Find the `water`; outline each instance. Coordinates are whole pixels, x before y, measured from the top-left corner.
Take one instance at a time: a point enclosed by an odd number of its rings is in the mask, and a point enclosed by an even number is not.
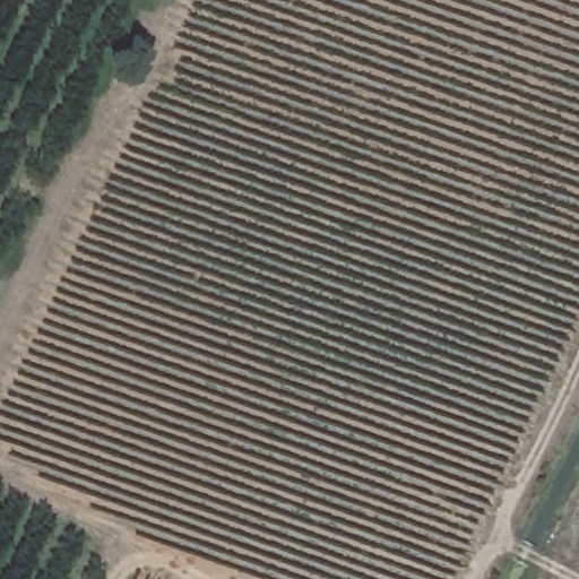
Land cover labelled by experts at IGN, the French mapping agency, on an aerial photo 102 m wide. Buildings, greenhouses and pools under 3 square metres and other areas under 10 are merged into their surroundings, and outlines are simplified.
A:
[[[579,477],[579,432],[550,489],[547,500],[543,502],[536,516],[536,522],[527,534],[527,543],[534,547],[543,538],[543,534],[547,534],[554,527],[552,520],[559,504],[565,502]]]

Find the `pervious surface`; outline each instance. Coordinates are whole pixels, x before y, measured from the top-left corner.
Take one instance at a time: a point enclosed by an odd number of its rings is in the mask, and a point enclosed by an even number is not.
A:
[[[466,579],[484,579],[502,554],[509,554],[513,563],[522,568],[527,568],[527,563],[534,563],[559,579],[579,579],[579,572],[561,565],[559,561],[541,554],[534,547],[527,543],[513,536],[513,511],[522,493],[527,491],[529,482],[536,477],[538,466],[559,430],[559,423],[568,412],[572,398],[577,396],[579,387],[579,348],[529,455],[520,461],[516,486],[504,489],[502,493],[502,507],[495,511],[491,538],[484,547],[479,547],[473,554]]]

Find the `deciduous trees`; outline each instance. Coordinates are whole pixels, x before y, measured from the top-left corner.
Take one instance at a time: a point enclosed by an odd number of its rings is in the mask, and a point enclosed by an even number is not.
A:
[[[59,174],[63,156],[70,154],[72,147],[88,133],[95,100],[100,100],[109,90],[113,79],[136,86],[142,84],[149,75],[156,54],[154,34],[149,34],[140,25],[138,16],[140,11],[156,11],[152,0],[0,0],[0,283],[18,271],[25,258],[25,233],[34,228],[36,217],[43,213],[47,185]]]
[[[11,484],[5,484],[0,475],[0,579],[106,579],[106,565],[100,554],[102,547],[93,536],[88,536],[77,522],[70,522],[68,518],[54,513],[54,509],[45,500],[29,500],[27,493],[14,489]]]

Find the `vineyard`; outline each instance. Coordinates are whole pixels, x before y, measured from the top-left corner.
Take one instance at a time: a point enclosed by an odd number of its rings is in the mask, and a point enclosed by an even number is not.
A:
[[[0,441],[5,441],[2,450],[9,452],[14,459],[34,464],[38,477],[93,495],[93,511],[129,522],[136,536],[244,572],[253,579],[466,579],[473,554],[479,547],[484,547],[491,538],[495,511],[502,507],[502,493],[504,489],[516,486],[520,461],[529,455],[579,348],[579,0],[195,0],[192,11],[183,23],[183,32],[179,32],[174,41],[176,50],[185,50],[188,57],[179,59],[176,79],[172,84],[158,84],[156,90],[152,90],[147,100],[140,104],[136,129],[129,142],[124,145],[124,152],[120,154],[113,172],[106,176],[106,190],[102,199],[93,204],[90,224],[79,237],[77,251],[68,267],[70,274],[68,278],[61,278],[70,285],[68,290],[57,287],[52,305],[47,308],[45,319],[38,328],[41,335],[32,342],[29,353],[20,362],[18,375],[0,405]]]
[[[136,568],[129,579],[172,579],[172,574],[167,574],[161,568]]]

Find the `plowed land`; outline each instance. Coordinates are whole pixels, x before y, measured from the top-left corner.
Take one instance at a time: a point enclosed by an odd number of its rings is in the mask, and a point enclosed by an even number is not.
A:
[[[534,563],[527,563],[527,568],[522,568],[513,563],[509,554],[502,554],[484,579],[559,579]]]
[[[183,23],[192,11],[195,0],[152,0],[156,11],[163,16],[163,20],[161,29],[154,34],[156,54],[149,75],[142,84],[136,86],[113,79],[109,90],[100,100],[95,100],[88,133],[72,147],[70,154],[63,156],[59,174],[47,185],[43,213],[36,217],[34,228],[25,233],[25,258],[18,271],[0,283],[0,405],[18,375],[20,362],[29,353],[32,342],[41,335],[38,328],[45,319],[47,308],[52,305],[57,287],[68,290],[70,285],[61,278],[68,278],[70,274],[68,267],[77,251],[79,237],[90,224],[93,204],[102,199],[106,190],[106,176],[113,172],[120,154],[124,152],[124,145],[129,142],[136,129],[140,104],[147,100],[152,90],[156,90],[158,84],[172,84],[176,79],[179,59],[188,57],[185,50],[176,50],[174,41],[179,32],[183,32]]]
[[[253,579],[244,572],[136,536],[129,522],[93,511],[93,495],[38,477],[34,464],[14,459],[9,452],[2,450],[5,441],[0,441],[0,475],[5,484],[11,484],[14,489],[27,493],[29,500],[45,500],[54,509],[54,513],[68,518],[70,522],[77,522],[88,536],[93,536],[102,547],[100,554],[106,565],[106,579],[129,579],[136,568],[161,568],[167,574],[172,574],[172,579]]]

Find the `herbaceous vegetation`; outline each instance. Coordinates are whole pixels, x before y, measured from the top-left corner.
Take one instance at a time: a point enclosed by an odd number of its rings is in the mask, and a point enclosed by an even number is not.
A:
[[[579,572],[579,477],[565,502],[559,504],[552,520],[554,527],[547,534],[543,534],[543,538],[534,547],[541,554],[559,561],[561,565]]]
[[[536,516],[543,502],[547,500],[550,489],[579,432],[579,387],[577,396],[572,398],[568,412],[559,423],[559,430],[538,466],[536,477],[529,482],[527,491],[522,493],[513,511],[513,536],[527,543],[527,534],[536,522]]]
[[[138,16],[140,25],[149,34],[154,34],[161,29],[163,20],[163,16],[156,11],[140,11]]]

